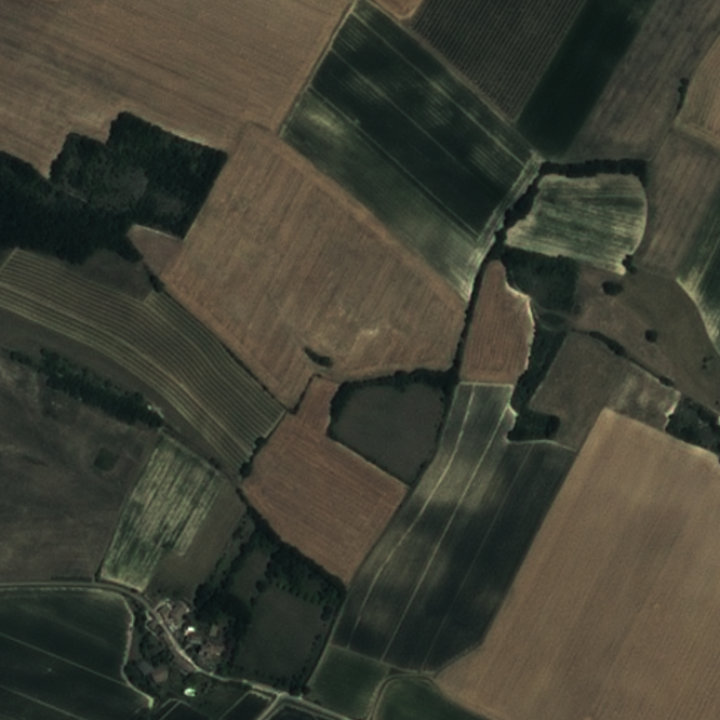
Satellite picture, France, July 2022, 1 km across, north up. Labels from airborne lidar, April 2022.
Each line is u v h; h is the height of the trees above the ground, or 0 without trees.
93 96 0
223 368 0
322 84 0
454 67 0
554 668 0
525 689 0
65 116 0
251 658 0
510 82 0
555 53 0
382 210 0
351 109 0
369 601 0
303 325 0
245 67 0
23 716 0
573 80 0
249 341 0
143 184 0
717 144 0
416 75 0
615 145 0
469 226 0
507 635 0
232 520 0
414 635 0
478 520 0
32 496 0
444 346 0
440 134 0
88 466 0
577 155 0
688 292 0
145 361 0
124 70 0
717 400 0
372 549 0
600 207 0
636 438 0
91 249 14
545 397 0
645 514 0
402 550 0
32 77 0
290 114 0
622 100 0
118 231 11
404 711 0
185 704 0
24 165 9
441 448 0
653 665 0
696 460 0
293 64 0
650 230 0
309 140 0
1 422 0
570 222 0
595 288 0
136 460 0
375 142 0
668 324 0
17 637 0
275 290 0
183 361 0
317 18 0
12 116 0
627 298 0
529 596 0
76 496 0
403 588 0
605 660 0
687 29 0
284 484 0
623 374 0
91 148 12
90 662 0
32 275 0
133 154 8
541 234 0
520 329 0
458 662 0
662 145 0
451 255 0
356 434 0
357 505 0
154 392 0
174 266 0
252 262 0
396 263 0
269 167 0
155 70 0
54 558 0
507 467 0
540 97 0
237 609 18
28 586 0
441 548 0
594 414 0
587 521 0
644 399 0
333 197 0
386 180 0
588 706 0
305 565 11
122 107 0
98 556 0
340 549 0
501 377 0
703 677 0
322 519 0
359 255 0
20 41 0
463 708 0
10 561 0
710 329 0
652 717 0
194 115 0
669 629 0
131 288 0
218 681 6
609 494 0
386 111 0
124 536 0
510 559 0
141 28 0
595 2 0
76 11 0
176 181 8
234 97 0
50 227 17
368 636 0
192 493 0
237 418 0
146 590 0
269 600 0
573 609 0
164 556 0
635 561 0
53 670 0
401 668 0
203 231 0
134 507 0
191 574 0
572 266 6
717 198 0
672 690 0
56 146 0
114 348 0
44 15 0
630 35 0
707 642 0
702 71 0
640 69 0
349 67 0
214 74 0
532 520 0
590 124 0
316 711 0
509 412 0
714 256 0
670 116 0
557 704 0
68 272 0
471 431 0
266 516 0
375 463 7
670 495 0
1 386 0
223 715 0
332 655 0
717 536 0
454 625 0
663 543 0
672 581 0
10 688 0
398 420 0
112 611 0
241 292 0
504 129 0
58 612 0
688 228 0
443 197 0
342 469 0
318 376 0
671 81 0
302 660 0
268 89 0
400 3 0
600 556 0
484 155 0
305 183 0
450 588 0
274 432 0
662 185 0
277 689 8
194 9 0
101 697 0
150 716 0
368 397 0
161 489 0
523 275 0
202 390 0
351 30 0
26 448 0
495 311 0
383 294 0
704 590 0
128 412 11
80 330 0
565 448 0
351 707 0
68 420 0
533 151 0
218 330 0
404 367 0
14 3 0
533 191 12
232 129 0
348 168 0
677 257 0
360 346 0
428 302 0
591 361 0
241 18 0
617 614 0
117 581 0
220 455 0
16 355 9
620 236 0
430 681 0
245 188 0
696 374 0
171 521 0
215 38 0
